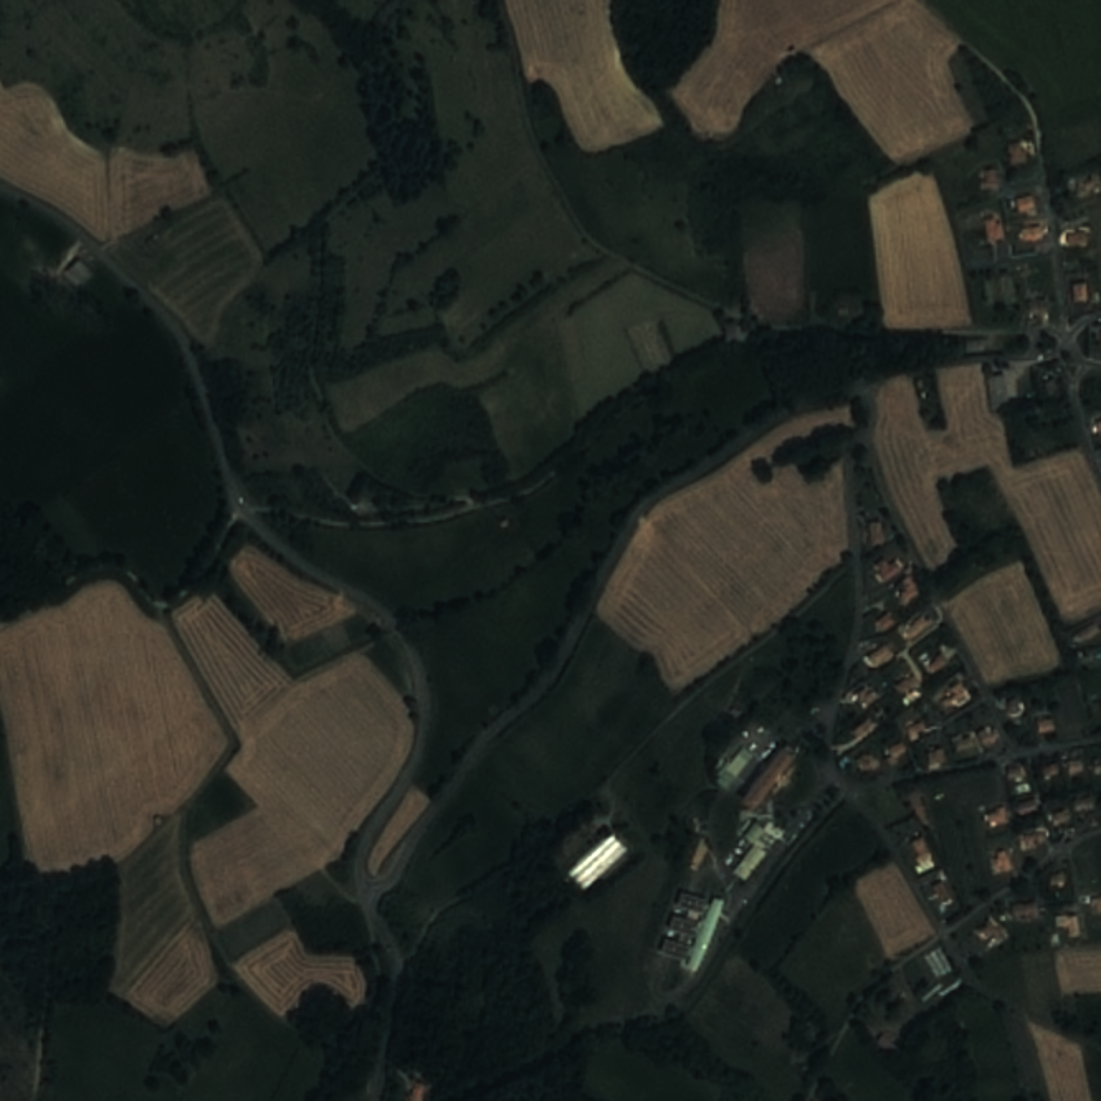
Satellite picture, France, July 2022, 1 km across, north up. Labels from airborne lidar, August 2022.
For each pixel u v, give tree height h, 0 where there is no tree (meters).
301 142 0
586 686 0
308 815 0
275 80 0
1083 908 0
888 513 10
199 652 0
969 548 9
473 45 0
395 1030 14
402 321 0
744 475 0
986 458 0
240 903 0
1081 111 0
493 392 0
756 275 0
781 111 8
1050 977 0
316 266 6
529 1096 26
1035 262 0
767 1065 0
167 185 0
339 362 9
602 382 0
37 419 0
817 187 8
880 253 0
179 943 0
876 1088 0
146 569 0
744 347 16
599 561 14
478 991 5
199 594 17
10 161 0
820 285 0
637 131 0
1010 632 0
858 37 0
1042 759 6
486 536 0
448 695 0
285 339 7
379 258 0
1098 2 0
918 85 0
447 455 12
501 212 0
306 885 0
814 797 0
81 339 0
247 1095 0
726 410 0
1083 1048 0
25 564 24
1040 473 0
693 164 0
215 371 12
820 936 0
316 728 0
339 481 0
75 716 0
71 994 12
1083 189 0
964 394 0
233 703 0
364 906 0
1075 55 0
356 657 0
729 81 0
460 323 0
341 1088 15
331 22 15
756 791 0
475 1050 17
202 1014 0
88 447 0
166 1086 0
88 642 0
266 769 0
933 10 0
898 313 0
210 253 0
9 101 0
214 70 0
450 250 0
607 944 0
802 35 0
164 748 0
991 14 0
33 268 0
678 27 12
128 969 0
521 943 16
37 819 0
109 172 0
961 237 0
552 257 0
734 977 0
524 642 0
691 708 0
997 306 9
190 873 0
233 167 0
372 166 10
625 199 0
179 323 0
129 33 0
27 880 20
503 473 9
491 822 0
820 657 14
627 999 0
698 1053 11
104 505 0
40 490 0
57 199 0
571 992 8
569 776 0
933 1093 17
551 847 14
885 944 0
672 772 0
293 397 9
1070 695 0
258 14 0
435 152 19
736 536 0
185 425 0
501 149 0
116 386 0
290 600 0
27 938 11
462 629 0
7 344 0
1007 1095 0
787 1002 11
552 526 0
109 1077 0
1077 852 0
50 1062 8
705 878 0
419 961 7
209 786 0
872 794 0
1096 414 0
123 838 0
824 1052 13
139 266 0
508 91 0
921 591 9
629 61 7
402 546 0
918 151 0
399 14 9
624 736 0
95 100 0
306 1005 18
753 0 0
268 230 0
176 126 0
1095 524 0
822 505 0
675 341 0
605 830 10
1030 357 0
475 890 8
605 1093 0
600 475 22
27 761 0
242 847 0
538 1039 6
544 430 0
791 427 0
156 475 0
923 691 6
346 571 0
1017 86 10
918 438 0
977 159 0
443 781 9
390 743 0
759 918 0
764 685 0
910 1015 0
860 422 12
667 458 0
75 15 0
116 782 0
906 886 0
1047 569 0
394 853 0
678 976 0
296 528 11
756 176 13
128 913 0
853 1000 9
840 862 0
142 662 0
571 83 0
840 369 31
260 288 0
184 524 0
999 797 0
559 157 0
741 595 0
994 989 0
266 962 0
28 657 0
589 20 0
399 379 0
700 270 0
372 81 11
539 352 0
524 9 0
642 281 0
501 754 0
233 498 0
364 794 0
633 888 0
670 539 0
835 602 0
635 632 0
